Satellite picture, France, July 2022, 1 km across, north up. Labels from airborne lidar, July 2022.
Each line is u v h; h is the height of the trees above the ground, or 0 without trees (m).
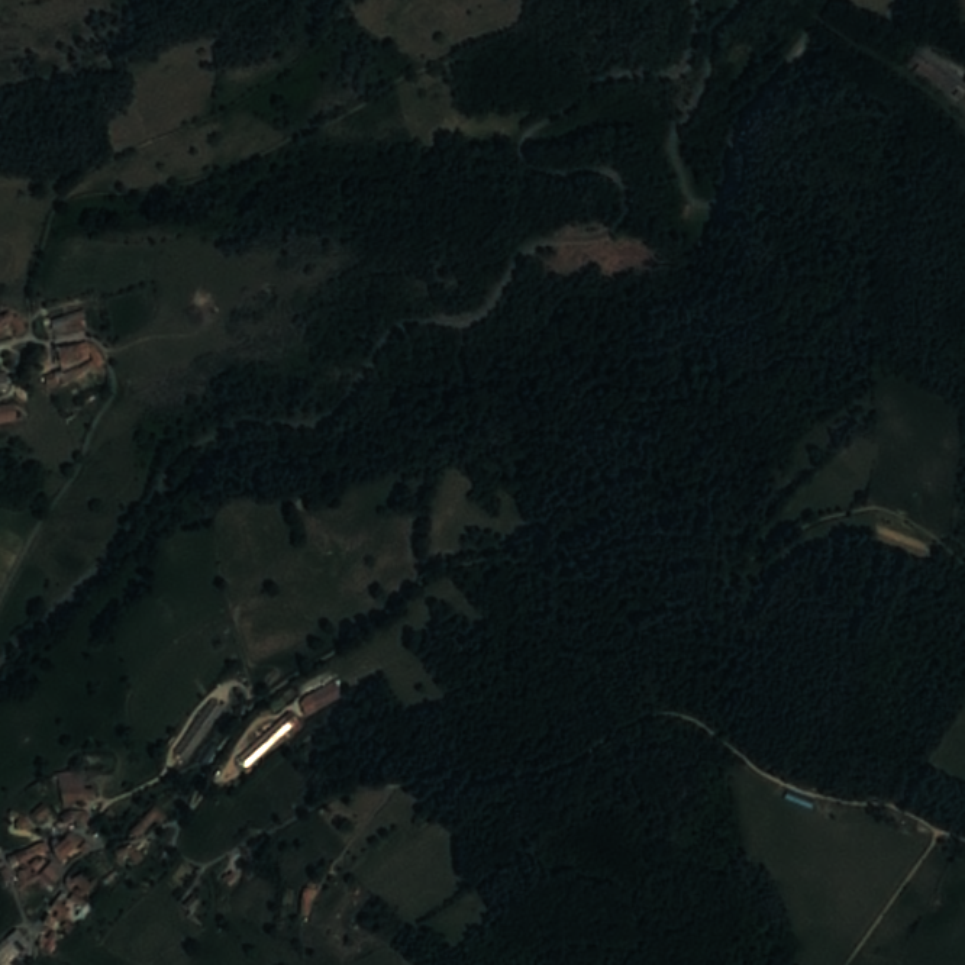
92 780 0
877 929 0
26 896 0
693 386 26
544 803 19
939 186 21
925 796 29
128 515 10
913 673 18
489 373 27
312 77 0
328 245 10
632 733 9
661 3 18
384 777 29
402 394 27
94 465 0
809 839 0
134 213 7
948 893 0
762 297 19
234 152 0
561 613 10
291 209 21
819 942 0
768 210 18
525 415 32
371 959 0
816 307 7
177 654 0
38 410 0
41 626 18
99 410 0
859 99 15
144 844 0
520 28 8
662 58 11
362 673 0
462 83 12
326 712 0
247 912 0
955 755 0
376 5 0
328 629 15
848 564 25
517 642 10
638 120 9
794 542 19
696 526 33
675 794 13
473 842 11
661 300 31
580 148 28
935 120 26
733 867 15
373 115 0
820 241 12
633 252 0
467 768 17
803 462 0
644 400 7
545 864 6
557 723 14
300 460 32
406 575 0
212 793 11
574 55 21
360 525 0
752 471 20
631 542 25
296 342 0
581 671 16
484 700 12
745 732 24
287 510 18
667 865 15
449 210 16
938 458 0
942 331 25
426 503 14
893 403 0
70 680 0
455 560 13
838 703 20
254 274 0
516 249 13
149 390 0
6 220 0
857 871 0
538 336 22
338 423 26
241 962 0
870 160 10
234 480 10
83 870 8
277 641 0
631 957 20
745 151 24
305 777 11
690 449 23
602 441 31
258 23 8
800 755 17
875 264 18
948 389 16
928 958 0
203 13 26
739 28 24
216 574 0
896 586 36
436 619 16
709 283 25
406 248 12
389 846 0
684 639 13
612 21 17
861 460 0
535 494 14
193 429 18
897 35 26
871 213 11
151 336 0
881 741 13
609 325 21
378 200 13
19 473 27
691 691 7
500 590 12
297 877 0
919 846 0
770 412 9
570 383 15
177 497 17
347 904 0
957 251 18
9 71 0
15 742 0
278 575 0
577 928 21
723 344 29
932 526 0
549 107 20
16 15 0
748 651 31
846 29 17
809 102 19
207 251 0
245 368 7
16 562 0
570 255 0
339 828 16
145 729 0
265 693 14
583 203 17
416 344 24
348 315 18
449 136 21
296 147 9
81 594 21
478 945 10
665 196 13
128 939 0
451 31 0
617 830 7
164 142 0
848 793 10
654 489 12
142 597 23
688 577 24
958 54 13
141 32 27
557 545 16
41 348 14
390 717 19
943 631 18
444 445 20
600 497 11
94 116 18
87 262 0
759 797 0
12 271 0
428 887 0
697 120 19
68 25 0
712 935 23
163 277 0
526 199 20
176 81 0
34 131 17
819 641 23
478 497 11
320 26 22
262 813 0
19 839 0
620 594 10
